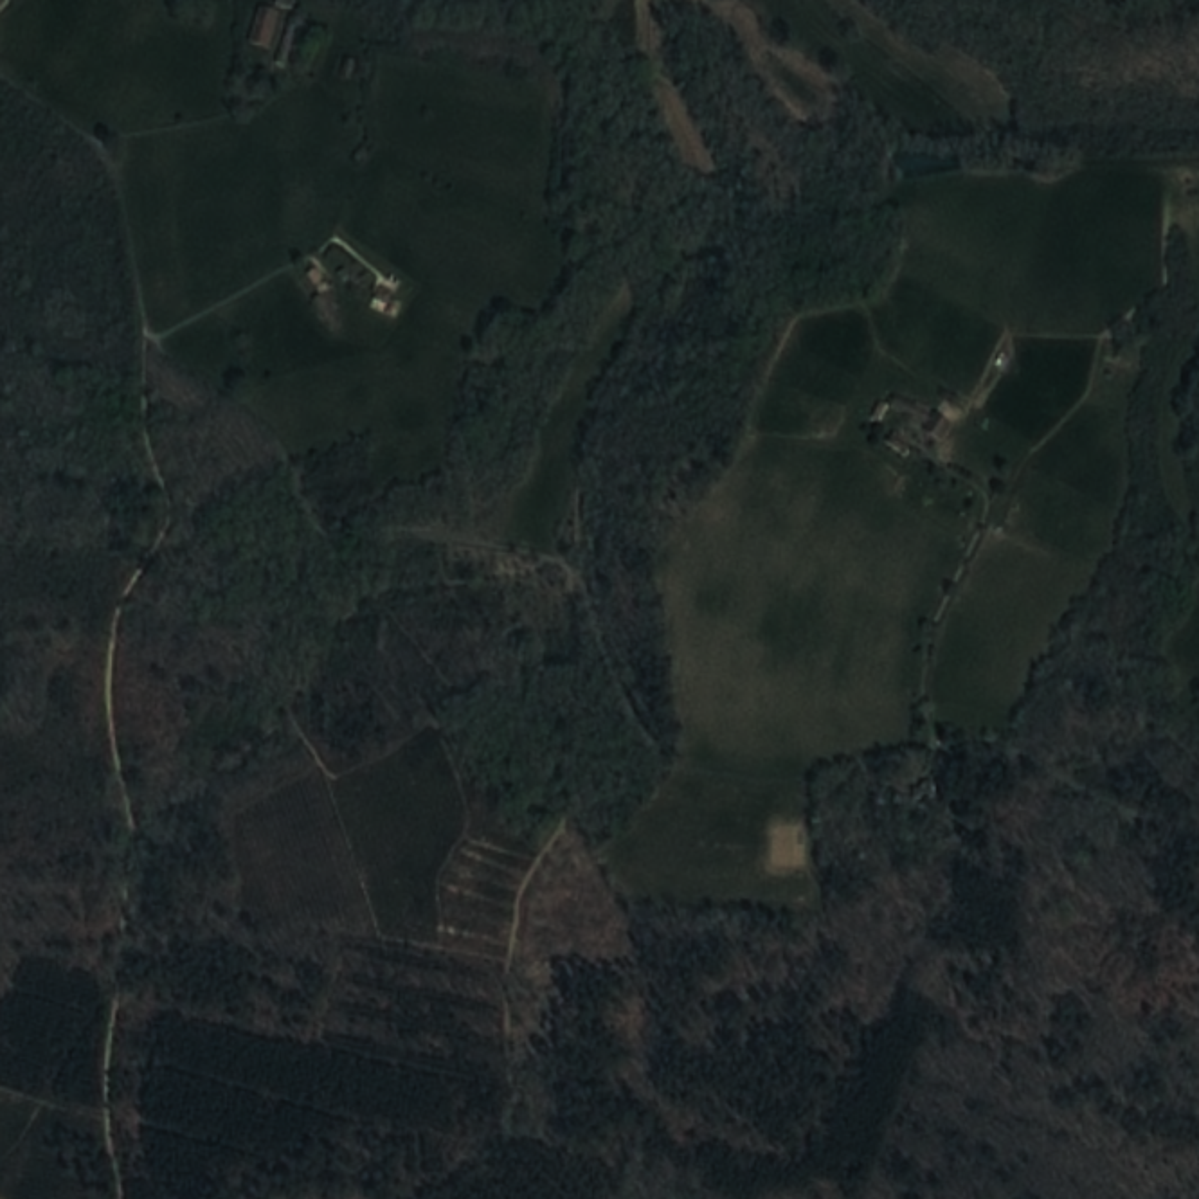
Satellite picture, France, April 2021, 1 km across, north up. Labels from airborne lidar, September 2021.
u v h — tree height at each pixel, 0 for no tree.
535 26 28
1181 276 11
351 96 0
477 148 0
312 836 0
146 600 12
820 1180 18
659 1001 14
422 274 0
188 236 0
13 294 11
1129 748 19
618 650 17
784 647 0
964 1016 11
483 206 0
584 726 26
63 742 8
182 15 24
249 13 0
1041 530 0
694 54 18
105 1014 10
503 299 0
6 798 8
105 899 15
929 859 22
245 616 23
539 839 28
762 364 13
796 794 0
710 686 0
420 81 0
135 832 19
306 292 0
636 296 13
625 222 25
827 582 0
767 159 7
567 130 15
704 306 14
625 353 15
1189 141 12
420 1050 10
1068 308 0
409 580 14
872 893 18
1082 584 0
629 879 0
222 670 10
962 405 14
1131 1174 15
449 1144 7
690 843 0
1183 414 16
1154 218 0
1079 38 17
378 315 0
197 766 16
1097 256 0
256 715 29
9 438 16
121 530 22
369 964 7
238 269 0
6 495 18
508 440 10
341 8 7
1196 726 14
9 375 18
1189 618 15
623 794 24
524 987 23
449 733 24
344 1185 29
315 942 9
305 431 0
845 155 24
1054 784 18
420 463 0
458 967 10
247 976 22
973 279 0
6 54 0
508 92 0
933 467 6
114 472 13
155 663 7
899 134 31
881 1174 14
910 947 12
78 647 18
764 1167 17
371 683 11
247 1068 16
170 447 14
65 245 11
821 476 0
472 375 16
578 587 0
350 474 8
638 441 18
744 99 16
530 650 23
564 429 0
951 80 0
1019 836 12
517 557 14
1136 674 20
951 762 11
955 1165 16
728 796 0
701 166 0
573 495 8
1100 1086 17
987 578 0
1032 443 0
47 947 7
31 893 11
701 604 0
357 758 6
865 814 19
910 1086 14
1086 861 24
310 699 9
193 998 22
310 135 0
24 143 8
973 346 0
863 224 29
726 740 0
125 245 7
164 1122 17
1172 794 18
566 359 9
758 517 0
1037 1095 14
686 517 14
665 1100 19
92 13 0
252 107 7
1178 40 13
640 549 19
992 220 0
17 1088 9
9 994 10
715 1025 24
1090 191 0
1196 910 21
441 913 0
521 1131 18
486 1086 11
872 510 0
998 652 0
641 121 21
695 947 17
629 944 0
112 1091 7
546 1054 22
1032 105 14
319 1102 15
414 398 0
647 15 0
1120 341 17
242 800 15
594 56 17
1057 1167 13
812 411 0
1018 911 16
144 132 0
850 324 0
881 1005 11
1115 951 11
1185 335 8
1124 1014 13
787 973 13
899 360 0
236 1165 16
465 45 9
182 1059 15
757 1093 24
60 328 18
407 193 0
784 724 0
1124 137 10
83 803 8
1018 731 14
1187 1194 16
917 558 0
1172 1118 16
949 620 0
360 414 0
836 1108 21
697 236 28
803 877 0
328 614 28
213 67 0
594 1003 30
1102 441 0
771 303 24
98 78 0
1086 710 18
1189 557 17
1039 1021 15
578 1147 31
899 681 0
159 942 16
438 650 10
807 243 16
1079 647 22
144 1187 11
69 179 8
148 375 19
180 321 0
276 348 0
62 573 9
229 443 21
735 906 0
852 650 0
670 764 17
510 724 22
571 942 0
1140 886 16
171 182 0
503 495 13
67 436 16
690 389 23
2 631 8
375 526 24
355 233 0
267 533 30
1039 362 0
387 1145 10
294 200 0
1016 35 14
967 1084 12
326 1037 9
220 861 27
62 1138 16
